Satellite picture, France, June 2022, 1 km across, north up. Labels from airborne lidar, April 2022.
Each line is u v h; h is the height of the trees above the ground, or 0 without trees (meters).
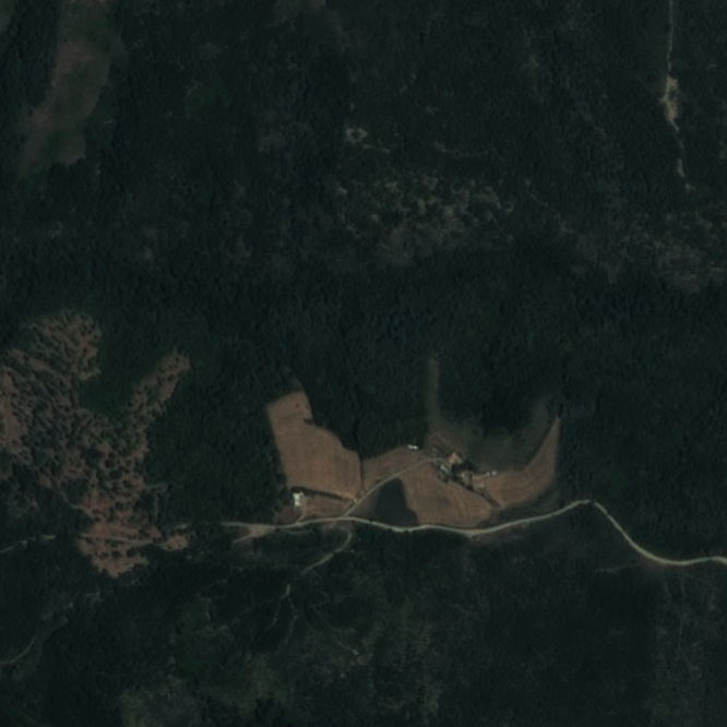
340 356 11
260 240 11
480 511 0
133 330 15
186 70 8
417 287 6
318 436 0
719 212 7
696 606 9
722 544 9
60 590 12
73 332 16
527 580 6
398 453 0
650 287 18
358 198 10
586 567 6
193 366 11
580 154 14
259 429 15
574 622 8
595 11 10
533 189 11
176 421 19
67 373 11
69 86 0
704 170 11
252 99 8
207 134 11
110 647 11
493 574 6
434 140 10
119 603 9
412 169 9
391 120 10
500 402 14
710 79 9
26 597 11
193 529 10
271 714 26
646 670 7
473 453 0
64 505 7
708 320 10
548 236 10
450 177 9
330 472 0
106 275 13
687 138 9
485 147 7
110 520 6
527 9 12
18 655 9
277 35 5
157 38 12
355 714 10
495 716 8
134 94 11
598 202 10
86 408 10
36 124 0
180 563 10
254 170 11
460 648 8
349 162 8
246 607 11
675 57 7
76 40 0
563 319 13
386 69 8
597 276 10
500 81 13
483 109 11
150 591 9
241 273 7
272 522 6
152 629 9
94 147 10
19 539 7
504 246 6
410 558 7
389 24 12
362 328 19
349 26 6
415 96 13
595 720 7
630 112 11
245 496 14
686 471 16
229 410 20
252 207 10
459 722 10
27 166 0
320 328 16
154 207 11
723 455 14
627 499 6
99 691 20
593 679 8
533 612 7
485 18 7
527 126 6
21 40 17
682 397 8
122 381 17
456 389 6
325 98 13
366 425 18
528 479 0
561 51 8
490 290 11
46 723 6
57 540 11
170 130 9
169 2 8
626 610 9
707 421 14
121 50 0
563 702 6
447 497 0
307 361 11
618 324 13
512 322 8
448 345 15
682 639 7
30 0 23
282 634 8
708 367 10
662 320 20
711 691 10
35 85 8
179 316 16
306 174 13
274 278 11
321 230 10
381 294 11
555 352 8
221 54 8
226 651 7
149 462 14
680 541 9
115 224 8
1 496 8
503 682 9
